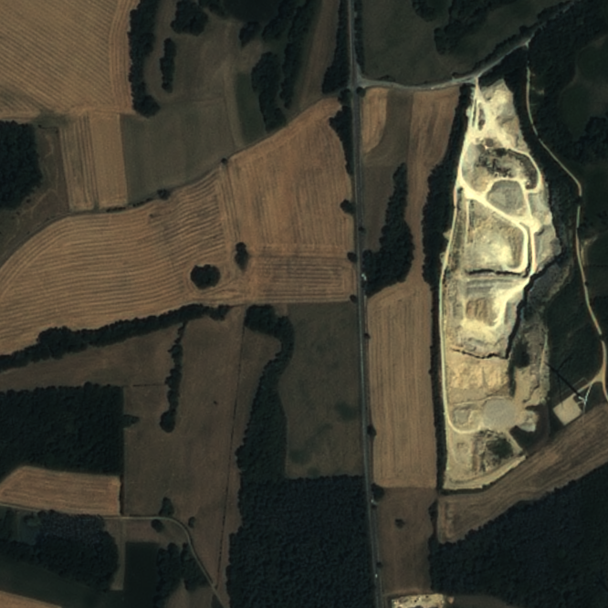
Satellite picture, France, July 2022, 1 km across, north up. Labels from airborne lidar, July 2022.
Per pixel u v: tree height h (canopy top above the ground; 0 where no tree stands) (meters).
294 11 14
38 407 16
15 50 0
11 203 27
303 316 0
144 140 0
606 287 0
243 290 0
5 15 0
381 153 0
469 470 0
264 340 0
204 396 0
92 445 14
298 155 0
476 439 0
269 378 6
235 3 0
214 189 0
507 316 0
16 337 0
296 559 7
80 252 0
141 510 0
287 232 0
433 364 9
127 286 0
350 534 17
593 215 0
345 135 14
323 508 19
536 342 0
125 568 0
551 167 9
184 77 0
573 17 11
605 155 18
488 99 0
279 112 13
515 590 12
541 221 0
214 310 8
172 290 0
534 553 24
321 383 0
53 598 0
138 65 15
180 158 0
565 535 23
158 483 0
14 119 0
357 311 0
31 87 0
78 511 0
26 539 0
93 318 0
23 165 30
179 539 0
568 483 0
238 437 0
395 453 0
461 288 0
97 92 0
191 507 0
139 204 7
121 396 7
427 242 14
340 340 0
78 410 14
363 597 17
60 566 23
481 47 0
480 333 0
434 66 0
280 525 17
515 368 0
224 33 0
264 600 20
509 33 0
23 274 0
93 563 26
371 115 0
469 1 15
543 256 0
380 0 0
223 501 0
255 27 15
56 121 0
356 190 0
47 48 0
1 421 12
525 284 0
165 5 0
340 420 0
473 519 0
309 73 0
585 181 0
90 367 0
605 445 0
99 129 0
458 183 0
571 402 0
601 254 0
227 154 0
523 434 0
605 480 10
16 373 0
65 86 0
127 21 0
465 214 0
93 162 0
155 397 0
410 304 0
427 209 15
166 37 0
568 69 12
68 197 0
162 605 13
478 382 0
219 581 0
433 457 0
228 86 0
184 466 0
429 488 0
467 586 13
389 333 0
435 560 14
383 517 0
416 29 0
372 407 0
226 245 0
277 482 9
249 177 0
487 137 0
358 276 0
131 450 0
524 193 0
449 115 0
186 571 16
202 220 0
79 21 0
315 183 0
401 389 0
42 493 0
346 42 14
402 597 0
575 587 16
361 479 13
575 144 19
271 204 0
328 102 0
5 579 0
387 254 16
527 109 8
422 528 0
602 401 0
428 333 0
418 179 0
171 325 12
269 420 10
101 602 0
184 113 0
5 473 7
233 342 0
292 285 0
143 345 0
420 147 0
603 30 15
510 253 0
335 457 0
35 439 16
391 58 0
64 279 0
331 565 21
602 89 0
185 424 0
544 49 13
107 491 0
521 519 23
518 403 0
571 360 8
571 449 0
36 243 0
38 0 0
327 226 0
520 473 0
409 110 0
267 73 16
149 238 0
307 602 15
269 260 0
